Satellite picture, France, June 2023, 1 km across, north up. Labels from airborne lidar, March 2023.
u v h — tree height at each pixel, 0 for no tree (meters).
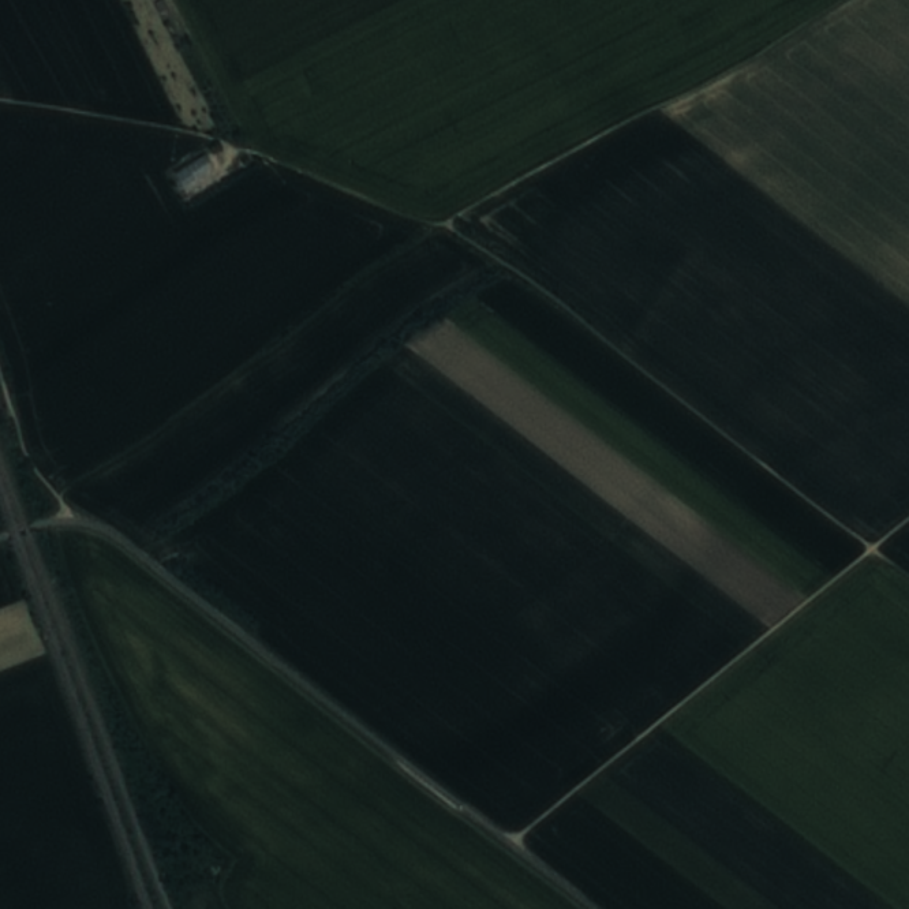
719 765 0
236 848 0
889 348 0
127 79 0
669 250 0
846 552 0
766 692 0
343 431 0
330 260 0
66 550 0
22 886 0
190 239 0
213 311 0
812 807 0
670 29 0
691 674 0
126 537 0
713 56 0
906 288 0
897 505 0
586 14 0
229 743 0
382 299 0
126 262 0
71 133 0
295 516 0
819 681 0
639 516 0
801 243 0
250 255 0
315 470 0
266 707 0
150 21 0
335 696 0
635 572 0
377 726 0
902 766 0
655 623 0
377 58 0
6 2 0
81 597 0
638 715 0
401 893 0
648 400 0
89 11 0
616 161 0
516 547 0
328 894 0
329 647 0
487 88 0
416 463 0
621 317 0
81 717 0
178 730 0
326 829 0
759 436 0
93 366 0
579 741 0
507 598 0
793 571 0
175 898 7
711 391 0
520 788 0
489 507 0
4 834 0
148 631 0
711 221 0
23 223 0
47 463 0
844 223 0
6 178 0
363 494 0
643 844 0
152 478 0
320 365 0
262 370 0
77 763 0
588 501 0
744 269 0
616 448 0
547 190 0
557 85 0
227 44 0
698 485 0
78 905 0
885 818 0
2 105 0
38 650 0
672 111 0
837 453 0
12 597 0
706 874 0
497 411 0
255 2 0
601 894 0
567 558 0
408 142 0
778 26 0
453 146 0
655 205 0
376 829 0
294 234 0
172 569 9
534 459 0
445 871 0
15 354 0
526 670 0
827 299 0
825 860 0
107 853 0
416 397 0
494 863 0
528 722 0
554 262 0
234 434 0
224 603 7
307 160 0
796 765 0
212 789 0
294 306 0
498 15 0
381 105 0
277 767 0
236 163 0
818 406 0
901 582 0
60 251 0
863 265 0
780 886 0
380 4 0
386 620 0
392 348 6
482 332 0
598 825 0
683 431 0
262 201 0
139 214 0
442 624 0
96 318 0
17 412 0
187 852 12
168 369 0
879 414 0
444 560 0
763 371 0
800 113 0
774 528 0
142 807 8
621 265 0
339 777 0
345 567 0
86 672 0
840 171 0
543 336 0
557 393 0
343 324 0
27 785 0
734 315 0
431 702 0
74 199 0
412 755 0
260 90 0
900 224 0
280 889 0
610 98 0
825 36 0
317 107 0
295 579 0
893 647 0
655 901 0
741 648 0
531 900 0
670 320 0
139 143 0
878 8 0
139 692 0
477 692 0
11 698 0
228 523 0
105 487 0
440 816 0
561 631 0
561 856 0
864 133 0
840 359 0
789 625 0
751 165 0
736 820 0
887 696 0
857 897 0
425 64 0
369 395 0
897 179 0
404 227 0
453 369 0
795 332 0
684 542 0
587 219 0
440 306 12
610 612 0
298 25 0
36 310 0
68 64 0
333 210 0
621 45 0
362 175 0
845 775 0
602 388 0
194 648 0
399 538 0
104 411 0
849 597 0
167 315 0
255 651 0
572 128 0
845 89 0
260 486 0
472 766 0
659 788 0
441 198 0
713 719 0
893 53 0
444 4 0
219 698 0
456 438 0
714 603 0
